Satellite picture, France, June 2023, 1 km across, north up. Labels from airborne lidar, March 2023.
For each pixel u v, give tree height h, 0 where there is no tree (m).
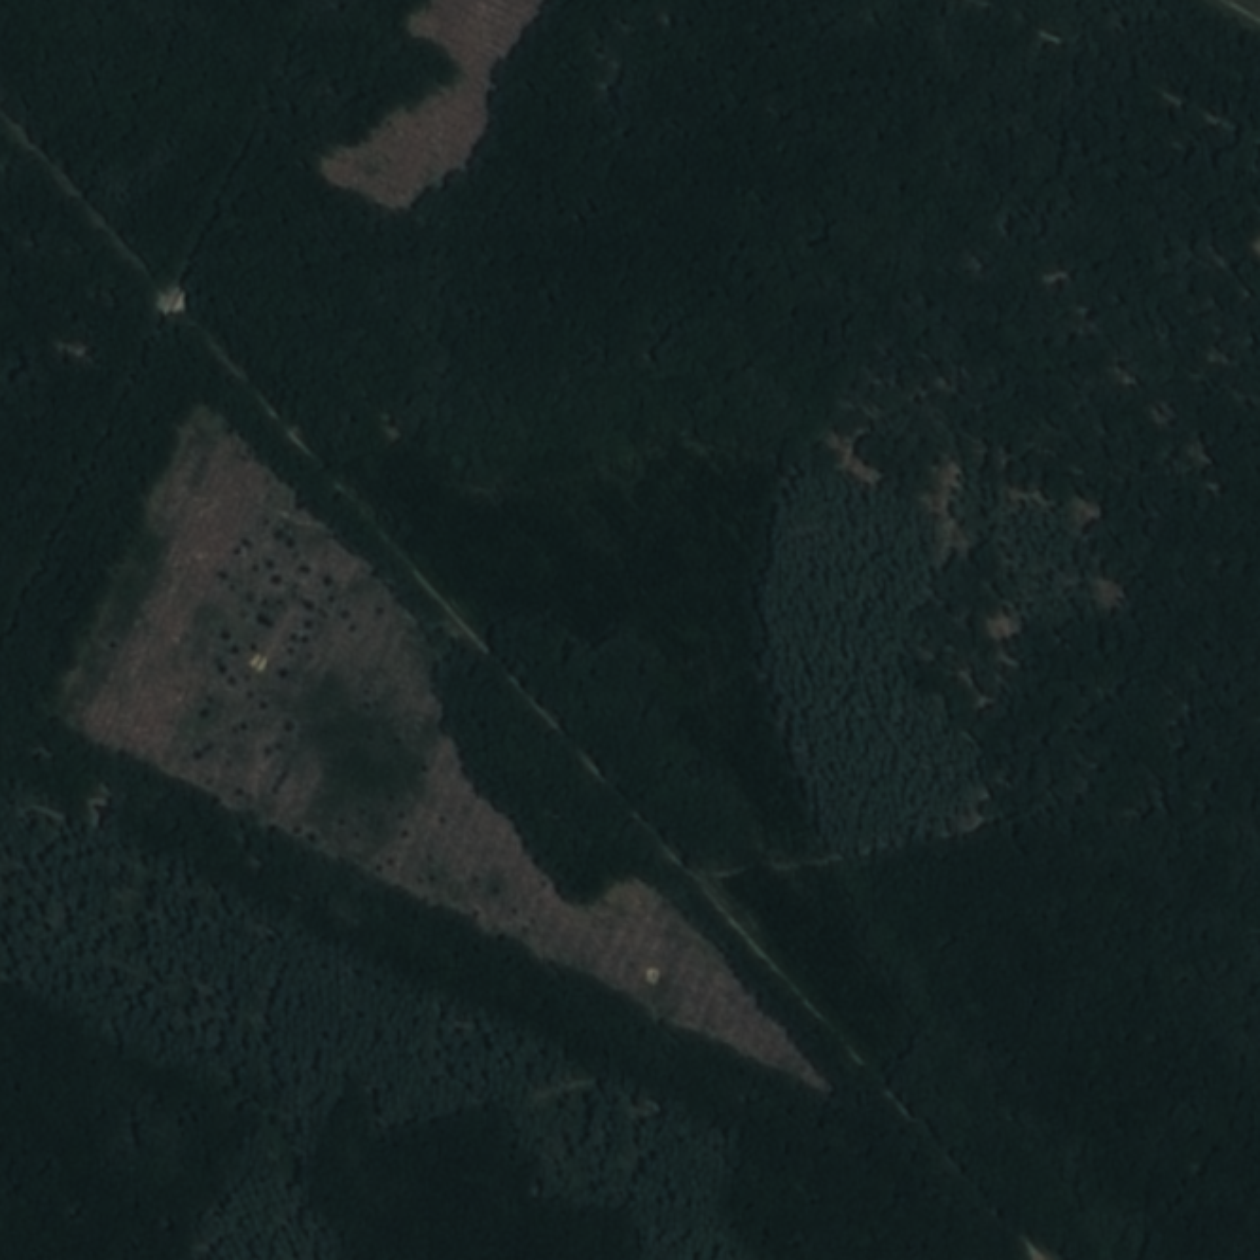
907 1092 25
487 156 24
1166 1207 26
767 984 22
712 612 6
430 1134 25
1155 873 20
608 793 23
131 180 24
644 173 28
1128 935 24
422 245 26
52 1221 29
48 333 27
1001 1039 26
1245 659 27
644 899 0
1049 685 32
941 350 31
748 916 0
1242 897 18
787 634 29
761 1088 27
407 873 0
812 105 32
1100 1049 21
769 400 30
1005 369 27
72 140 23
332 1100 28
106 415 25
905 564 29
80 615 23
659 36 30
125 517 25
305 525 0
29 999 29
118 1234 31
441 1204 31
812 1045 24
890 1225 30
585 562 6
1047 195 26
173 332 22
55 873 27
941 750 21
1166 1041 22
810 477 23
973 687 17
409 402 28
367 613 0
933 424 30
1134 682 30
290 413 18
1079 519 22
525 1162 23
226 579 0
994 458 20
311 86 23
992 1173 29
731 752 6
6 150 27
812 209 28
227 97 27
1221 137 17
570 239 30
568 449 26
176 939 28
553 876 29
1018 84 30
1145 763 32
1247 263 32
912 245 32
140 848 25
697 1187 30
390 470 12
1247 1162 20
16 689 24
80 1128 29
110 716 0
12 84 25
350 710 0
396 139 0
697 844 26
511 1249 30
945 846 22
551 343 31
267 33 29
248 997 25
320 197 26
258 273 24
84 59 26
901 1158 29
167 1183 28
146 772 22
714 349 34
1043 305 31
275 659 0
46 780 23
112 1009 23
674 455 9
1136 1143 20
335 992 28
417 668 0
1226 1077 26
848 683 22
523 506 6
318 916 21
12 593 24
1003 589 25
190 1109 29
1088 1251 29
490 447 23
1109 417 34
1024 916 25
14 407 30
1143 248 33
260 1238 32
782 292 35
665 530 6
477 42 0
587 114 30
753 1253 28
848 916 7
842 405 27
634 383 30
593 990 25
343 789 0
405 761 0
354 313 27
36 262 23
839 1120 26
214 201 25
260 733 0
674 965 0
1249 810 28
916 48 28
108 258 23
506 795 26
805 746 23
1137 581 26
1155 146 29
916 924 23
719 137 31
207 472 0
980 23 27
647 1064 26
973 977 22
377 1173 31
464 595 8
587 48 26
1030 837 28
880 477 23
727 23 28
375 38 27
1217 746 31
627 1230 27
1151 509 31
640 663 27
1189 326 30
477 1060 33
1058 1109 25
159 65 27
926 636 25
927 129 31
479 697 26
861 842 27
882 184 32
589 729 31
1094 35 24
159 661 0
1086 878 24
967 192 32
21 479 25
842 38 28
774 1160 30
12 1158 29
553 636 25
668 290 31
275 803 0
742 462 6
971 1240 28
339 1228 26
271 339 21
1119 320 27
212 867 25
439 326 30
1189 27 27
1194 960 23
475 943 26
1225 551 32
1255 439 31
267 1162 30
